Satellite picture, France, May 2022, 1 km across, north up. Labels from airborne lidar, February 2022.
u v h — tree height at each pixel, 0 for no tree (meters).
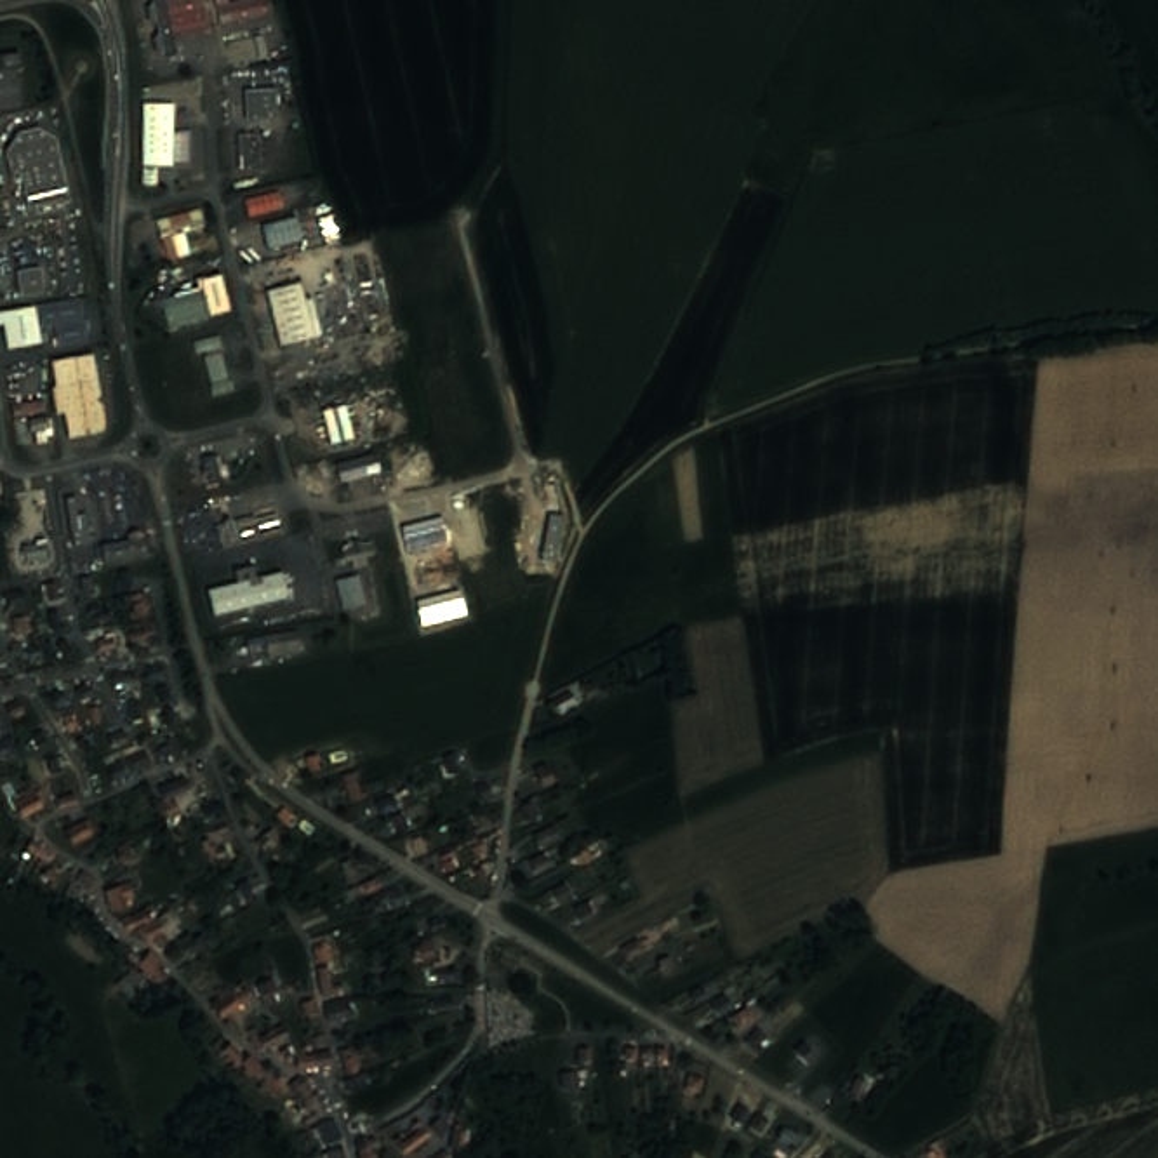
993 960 0
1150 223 0
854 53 0
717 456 0
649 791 0
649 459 0
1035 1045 0
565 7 0
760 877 0
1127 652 0
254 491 0
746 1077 0
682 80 0
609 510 0
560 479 0
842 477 0
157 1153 0
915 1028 13
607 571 0
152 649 0
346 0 0
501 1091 9
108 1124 13
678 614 0
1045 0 0
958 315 0
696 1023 0
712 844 0
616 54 0
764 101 0
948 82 0
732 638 0
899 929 0
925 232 0
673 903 0
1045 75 0
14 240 0
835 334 0
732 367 0
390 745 0
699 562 0
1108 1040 0
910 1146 0
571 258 0
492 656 0
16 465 0
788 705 0
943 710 0
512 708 0
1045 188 0
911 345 0
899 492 0
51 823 0
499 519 0
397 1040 16
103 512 0
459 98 0
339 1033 8
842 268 0
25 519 0
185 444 0
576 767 0
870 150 0
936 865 0
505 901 0
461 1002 0
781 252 0
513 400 0
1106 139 0
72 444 0
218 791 0
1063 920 0
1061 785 0
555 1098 0
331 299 0
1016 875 0
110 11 0
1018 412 0
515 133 0
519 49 0
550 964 0
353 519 0
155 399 0
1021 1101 0
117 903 0
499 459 0
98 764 0
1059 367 0
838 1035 0
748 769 0
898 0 0
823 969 10
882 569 0
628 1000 0
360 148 0
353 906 0
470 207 0
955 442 0
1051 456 0
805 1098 0
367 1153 0
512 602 0
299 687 0
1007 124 0
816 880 0
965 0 0
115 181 0
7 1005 0
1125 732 0
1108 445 0
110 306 0
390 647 0
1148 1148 0
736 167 0
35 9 0
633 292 0
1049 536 0
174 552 0
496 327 0
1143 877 0
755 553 0
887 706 0
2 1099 0
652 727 0
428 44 0
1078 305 0
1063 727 0
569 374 0
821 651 0
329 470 0
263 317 0
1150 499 0
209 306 0
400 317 0
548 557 0
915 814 0
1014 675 0
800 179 0
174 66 0
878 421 0
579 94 0
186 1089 0
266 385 0
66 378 0
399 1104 0
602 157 0
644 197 0
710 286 0
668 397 0
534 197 0
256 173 0
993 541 0
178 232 0
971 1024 11
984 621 0
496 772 0
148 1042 0
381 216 0
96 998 0
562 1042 0
